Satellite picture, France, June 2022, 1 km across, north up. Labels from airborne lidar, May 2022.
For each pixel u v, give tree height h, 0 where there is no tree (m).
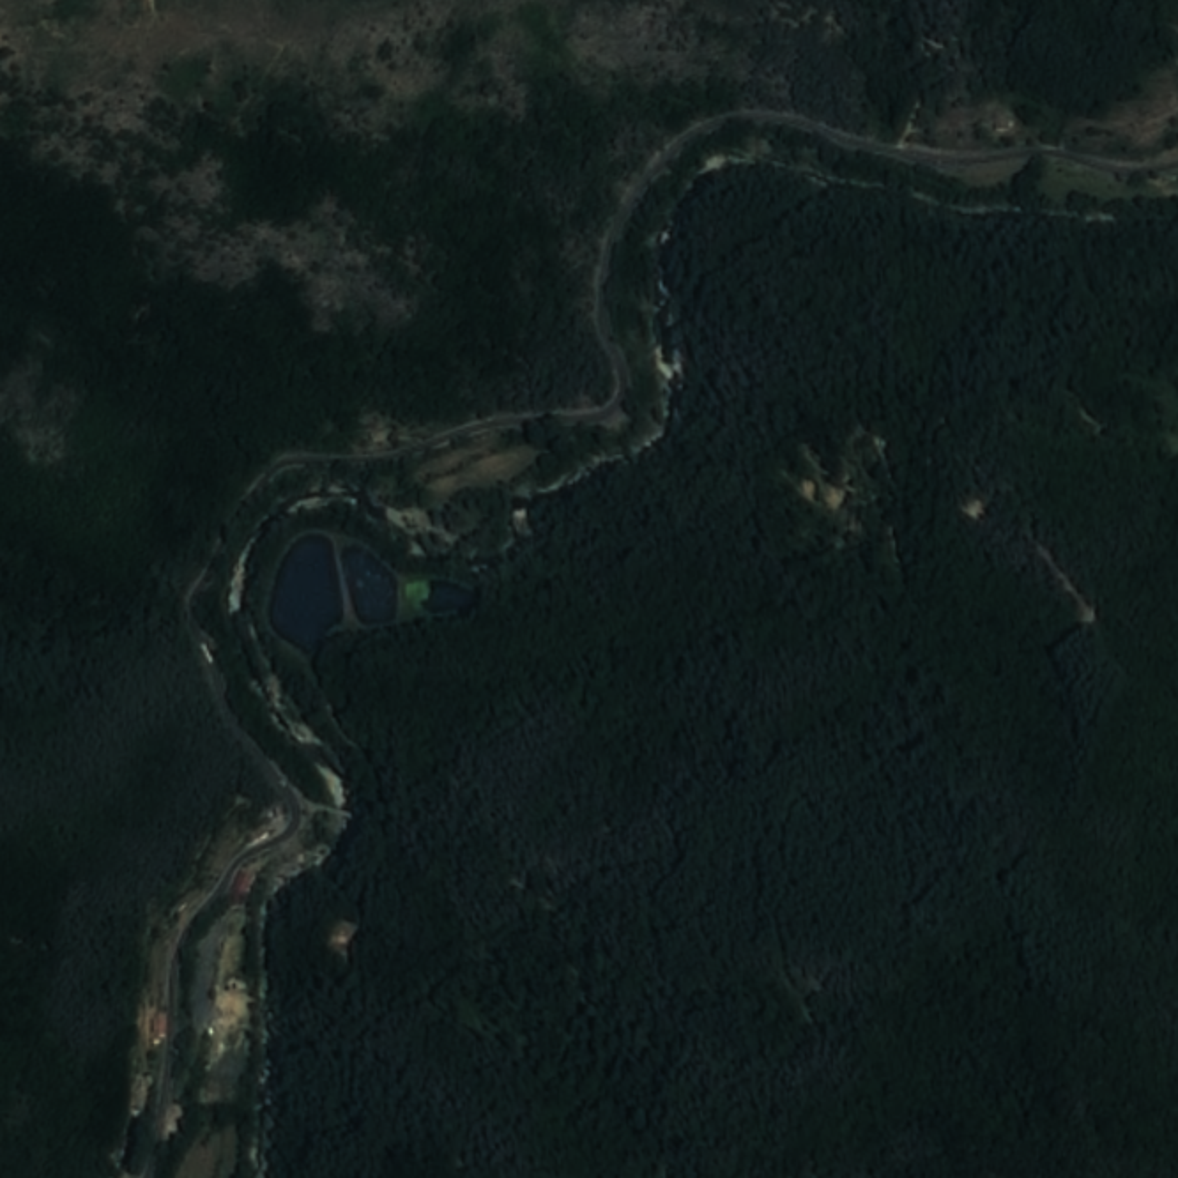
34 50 0
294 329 14
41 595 16
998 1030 11
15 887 23
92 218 13
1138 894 22
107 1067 13
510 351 10
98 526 12
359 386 9
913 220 36
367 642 14
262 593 22
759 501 17
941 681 24
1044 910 28
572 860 18
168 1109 0
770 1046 19
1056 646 18
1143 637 26
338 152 11
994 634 23
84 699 17
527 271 7
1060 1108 15
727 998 22
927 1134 10
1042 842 18
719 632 19
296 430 12
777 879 35
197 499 17
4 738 17
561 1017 12
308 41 0
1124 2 16
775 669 24
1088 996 28
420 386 18
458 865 12
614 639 22
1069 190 0
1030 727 20
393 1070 30
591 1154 18
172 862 21
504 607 26
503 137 21
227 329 17
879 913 35
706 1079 12
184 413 14
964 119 0
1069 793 18
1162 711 20
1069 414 21
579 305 12
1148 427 12
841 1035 19
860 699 23
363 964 17
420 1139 38
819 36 14
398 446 12
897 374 16
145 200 9
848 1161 16
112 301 13
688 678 35
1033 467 16
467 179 15
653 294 10
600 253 16
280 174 15
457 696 15
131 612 22
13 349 11
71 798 16
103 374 14
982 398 31
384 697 16
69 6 0
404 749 17
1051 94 20
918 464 14
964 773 13
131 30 0
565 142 13
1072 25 18
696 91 14
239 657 10
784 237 30
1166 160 0
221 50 0
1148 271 15
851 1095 17
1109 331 14
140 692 21
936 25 11
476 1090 20
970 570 18
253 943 14
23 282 14
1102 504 28
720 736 21
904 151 0
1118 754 22
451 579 15
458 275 15
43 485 9
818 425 18
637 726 25
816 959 17
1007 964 12
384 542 18
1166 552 14
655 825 20
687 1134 18
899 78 10
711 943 23
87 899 22
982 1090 10
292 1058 21
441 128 15
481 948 25
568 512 23
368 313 7
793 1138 18
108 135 6
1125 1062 7
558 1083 15
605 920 24
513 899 17
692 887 37
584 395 19
